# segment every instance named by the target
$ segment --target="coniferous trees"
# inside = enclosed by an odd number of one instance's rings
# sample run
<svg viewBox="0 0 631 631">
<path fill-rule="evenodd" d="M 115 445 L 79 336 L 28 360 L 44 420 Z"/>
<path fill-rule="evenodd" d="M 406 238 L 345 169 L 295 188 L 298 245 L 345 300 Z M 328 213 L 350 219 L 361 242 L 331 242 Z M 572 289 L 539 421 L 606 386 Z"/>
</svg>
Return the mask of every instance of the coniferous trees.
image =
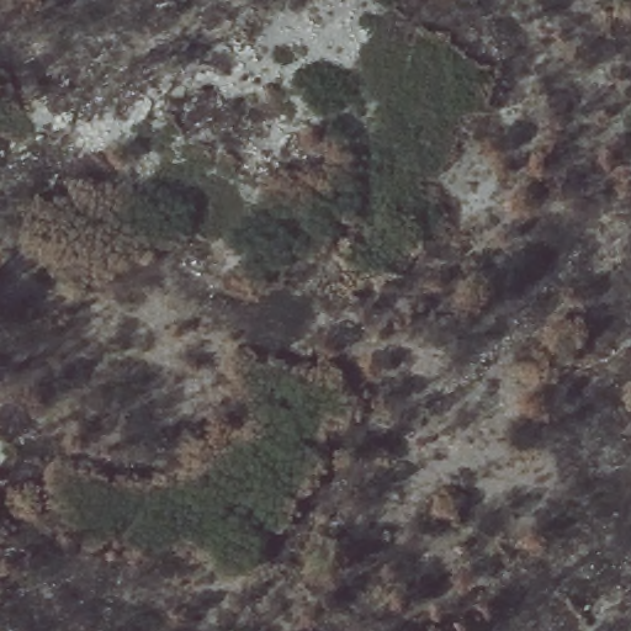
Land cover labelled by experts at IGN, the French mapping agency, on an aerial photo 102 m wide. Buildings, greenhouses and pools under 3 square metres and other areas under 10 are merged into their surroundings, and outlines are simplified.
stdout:
<svg viewBox="0 0 631 631">
<path fill-rule="evenodd" d="M 488 609 L 493 594 L 488 587 L 476 587 L 461 594 L 456 601 L 441 606 L 439 621 L 431 619 L 426 631 L 493 631 L 491 621 L 503 619 L 503 614 L 500 609 Z"/>
<path fill-rule="evenodd" d="M 330 567 L 335 562 L 335 540 L 323 535 L 318 537 L 311 532 L 311 540 L 306 542 L 301 555 L 303 577 L 311 579 L 308 592 L 316 594 L 308 631 L 392 631 L 404 619 L 426 621 L 429 601 L 419 601 L 412 609 L 402 611 L 399 596 L 404 594 L 404 584 L 397 582 L 389 567 L 382 567 L 377 587 L 362 592 L 352 604 L 345 604 L 338 611 L 328 601 L 328 596 L 335 589 L 330 579 Z"/>
<path fill-rule="evenodd" d="M 476 473 L 471 468 L 461 468 L 451 473 L 449 481 L 449 493 L 454 498 L 456 510 L 454 518 L 441 520 L 434 515 L 417 513 L 412 523 L 397 523 L 397 532 L 385 532 L 382 540 L 404 545 L 407 550 L 417 550 L 424 557 L 426 535 L 454 535 L 463 525 L 471 525 L 476 532 L 463 542 L 463 555 L 471 562 L 471 569 L 463 569 L 463 579 L 495 577 L 503 569 L 510 572 L 510 577 L 520 577 L 527 574 L 527 569 L 535 569 L 537 557 L 527 550 L 515 547 L 518 540 L 510 532 L 510 523 L 523 515 L 525 505 L 540 500 L 542 491 L 513 488 L 503 495 L 495 495 L 493 503 L 486 503 L 483 493 L 476 488 Z"/>
<path fill-rule="evenodd" d="M 503 296 L 493 288 L 493 281 L 488 276 L 471 276 L 456 281 L 454 311 L 461 320 L 476 323 L 481 313 L 486 313 L 486 308 L 493 311 L 503 303 Z"/>
<path fill-rule="evenodd" d="M 217 619 L 217 626 L 212 626 L 210 631 L 281 631 L 269 621 L 237 624 L 239 616 L 234 611 L 227 611 Z"/>
</svg>

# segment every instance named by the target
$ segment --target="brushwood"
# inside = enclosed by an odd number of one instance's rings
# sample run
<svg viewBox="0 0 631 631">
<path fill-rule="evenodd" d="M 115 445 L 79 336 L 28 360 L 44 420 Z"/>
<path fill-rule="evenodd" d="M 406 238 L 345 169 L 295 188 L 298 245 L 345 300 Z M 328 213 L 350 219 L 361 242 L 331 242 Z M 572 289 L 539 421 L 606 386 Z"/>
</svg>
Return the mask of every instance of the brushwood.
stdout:
<svg viewBox="0 0 631 631">
<path fill-rule="evenodd" d="M 175 242 L 177 234 L 205 234 L 227 242 L 229 249 L 234 249 L 234 254 L 239 256 L 246 279 L 251 281 L 251 301 L 281 291 L 286 276 L 283 271 L 296 271 L 306 266 L 311 249 L 325 244 L 333 244 L 338 249 L 340 239 L 350 239 L 348 261 L 352 264 L 355 274 L 382 274 L 389 261 L 407 261 L 421 251 L 431 259 L 439 259 L 444 249 L 451 244 L 454 229 L 461 224 L 461 205 L 441 185 L 441 173 L 458 163 L 458 158 L 449 148 L 451 131 L 458 126 L 461 118 L 471 121 L 483 116 L 483 106 L 491 99 L 493 84 L 486 76 L 481 76 L 481 67 L 468 62 L 461 49 L 451 47 L 441 32 L 412 27 L 392 0 L 380 0 L 385 5 L 382 15 L 360 17 L 360 27 L 367 30 L 367 42 L 360 47 L 360 54 L 350 69 L 320 59 L 293 74 L 293 84 L 298 86 L 303 101 L 320 116 L 320 123 L 311 128 L 313 138 L 335 138 L 338 150 L 352 155 L 350 163 L 328 163 L 323 158 L 293 160 L 281 165 L 266 163 L 266 173 L 274 180 L 281 180 L 281 190 L 261 195 L 254 205 L 244 202 L 239 190 L 229 182 L 207 175 L 207 168 L 214 165 L 214 158 L 200 155 L 180 165 L 160 163 L 155 168 L 155 175 L 143 180 L 143 192 L 121 200 L 123 210 L 116 212 L 116 227 L 131 227 L 136 237 L 148 237 L 150 246 L 158 246 L 160 239 Z"/>
<path fill-rule="evenodd" d="M 320 439 L 316 439 L 320 409 L 338 392 L 343 392 L 343 385 L 330 389 L 318 387 L 306 380 L 311 367 L 288 367 L 281 360 L 256 362 L 237 352 L 234 370 L 244 380 L 246 389 L 237 402 L 224 397 L 219 402 L 214 417 L 207 417 L 205 439 L 180 439 L 180 468 L 165 476 L 140 481 L 116 476 L 116 481 L 106 483 L 106 488 L 69 476 L 69 483 L 62 488 L 62 493 L 79 518 L 79 523 L 71 530 L 81 530 L 84 540 L 101 540 L 121 537 L 128 530 L 131 545 L 140 552 L 170 552 L 173 545 L 180 540 L 195 540 L 197 547 L 212 552 L 214 562 L 224 567 L 229 577 L 246 574 L 249 569 L 261 564 L 259 547 L 274 532 L 279 535 L 286 530 L 298 500 L 311 495 L 311 478 L 325 473 L 323 458 L 316 454 L 323 444 Z"/>
</svg>

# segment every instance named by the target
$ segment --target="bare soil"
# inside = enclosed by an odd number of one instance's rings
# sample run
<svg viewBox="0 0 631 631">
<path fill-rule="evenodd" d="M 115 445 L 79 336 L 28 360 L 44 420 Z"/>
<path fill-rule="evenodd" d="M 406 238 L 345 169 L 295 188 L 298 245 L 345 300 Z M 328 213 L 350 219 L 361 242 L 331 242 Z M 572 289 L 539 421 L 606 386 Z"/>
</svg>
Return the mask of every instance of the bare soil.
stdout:
<svg viewBox="0 0 631 631">
<path fill-rule="evenodd" d="M 421 251 L 407 261 L 389 261 L 382 274 L 355 274 L 352 264 L 348 261 L 350 239 L 340 239 L 338 249 L 333 244 L 325 244 L 311 249 L 306 266 L 296 271 L 283 271 L 286 276 L 281 291 L 251 301 L 251 281 L 246 279 L 239 256 L 234 254 L 234 249 L 229 249 L 227 242 L 205 234 L 177 234 L 175 242 L 160 239 L 158 246 L 150 246 L 148 237 L 136 237 L 131 227 L 116 227 L 116 212 L 123 210 L 121 200 L 143 192 L 143 180 L 155 175 L 155 168 L 160 163 L 180 165 L 200 155 L 214 158 L 214 165 L 207 168 L 207 175 L 229 182 L 239 190 L 244 202 L 254 205 L 261 195 L 281 190 L 281 180 L 274 180 L 266 173 L 266 163 L 281 165 L 293 160 L 323 158 L 328 163 L 350 163 L 352 155 L 338 150 L 335 138 L 313 138 L 311 128 L 320 123 L 320 116 L 303 101 L 298 86 L 293 84 L 293 74 L 320 59 L 350 69 L 360 54 L 360 47 L 367 42 L 367 30 L 360 27 L 360 17 L 382 15 L 385 5 L 380 0 L 0 0 L 0 631 L 210 631 L 212 626 L 217 626 L 217 619 L 227 611 L 234 611 L 239 616 L 237 624 L 269 621 L 281 631 L 308 631 L 316 594 L 308 592 L 311 579 L 303 577 L 301 555 L 306 542 L 311 540 L 311 532 L 318 537 L 323 535 L 335 540 L 335 562 L 330 567 L 330 579 L 335 589 L 328 596 L 328 601 L 338 611 L 345 604 L 352 604 L 362 592 L 377 587 L 382 567 L 389 567 L 397 582 L 404 584 L 404 594 L 399 596 L 402 611 L 412 609 L 419 601 L 429 601 L 426 621 L 404 619 L 392 631 L 426 631 L 431 619 L 439 621 L 441 606 L 456 601 L 461 594 L 476 587 L 488 587 L 493 594 L 488 609 L 500 609 L 503 614 L 503 619 L 491 621 L 493 631 L 631 631 L 631 0 L 392 0 L 412 27 L 441 32 L 451 47 L 461 49 L 468 62 L 481 67 L 481 76 L 486 76 L 493 84 L 491 99 L 483 106 L 483 116 L 471 121 L 461 118 L 458 126 L 451 131 L 449 148 L 458 158 L 458 163 L 441 173 L 441 185 L 461 205 L 461 224 L 454 229 L 451 244 L 444 249 L 439 259 L 431 259 Z M 493 311 L 486 308 L 486 313 L 481 313 L 476 323 L 461 320 L 454 311 L 456 281 L 471 276 L 488 276 L 493 281 L 493 288 L 503 296 L 503 303 Z M 101 540 L 84 540 L 81 530 L 71 530 L 79 523 L 79 518 L 62 493 L 62 488 L 69 483 L 69 476 L 106 488 L 106 483 L 116 481 L 116 476 L 140 481 L 165 476 L 180 468 L 180 439 L 205 439 L 207 417 L 214 417 L 219 402 L 224 397 L 237 402 L 246 389 L 244 380 L 234 370 L 237 352 L 256 362 L 281 360 L 288 367 L 311 367 L 306 380 L 318 387 L 330 389 L 343 385 L 343 392 L 338 392 L 320 409 L 316 439 L 320 439 L 323 444 L 316 454 L 323 458 L 325 473 L 311 478 L 311 495 L 298 500 L 286 530 L 279 535 L 274 532 L 259 547 L 261 564 L 249 569 L 246 574 L 229 577 L 224 567 L 214 562 L 212 552 L 197 547 L 195 540 L 180 540 L 173 545 L 170 552 L 140 552 L 131 545 L 128 530 L 121 537 Z M 456 510 L 454 498 L 449 493 L 449 481 L 451 473 L 461 468 L 471 468 L 476 473 L 476 488 L 483 493 L 486 503 L 493 503 L 495 495 L 503 495 L 513 488 L 542 491 L 540 500 L 525 505 L 523 515 L 510 523 L 510 532 L 518 540 L 515 547 L 527 550 L 537 557 L 535 569 L 527 569 L 527 574 L 520 577 L 510 577 L 510 572 L 503 569 L 495 577 L 463 579 L 463 569 L 471 569 L 471 562 L 463 555 L 463 542 L 476 532 L 471 525 L 463 525 L 454 535 L 426 535 L 424 557 L 417 550 L 407 550 L 404 545 L 382 540 L 385 532 L 397 532 L 397 523 L 412 523 L 417 513 L 434 515 L 441 520 L 454 518 Z"/>
</svg>

